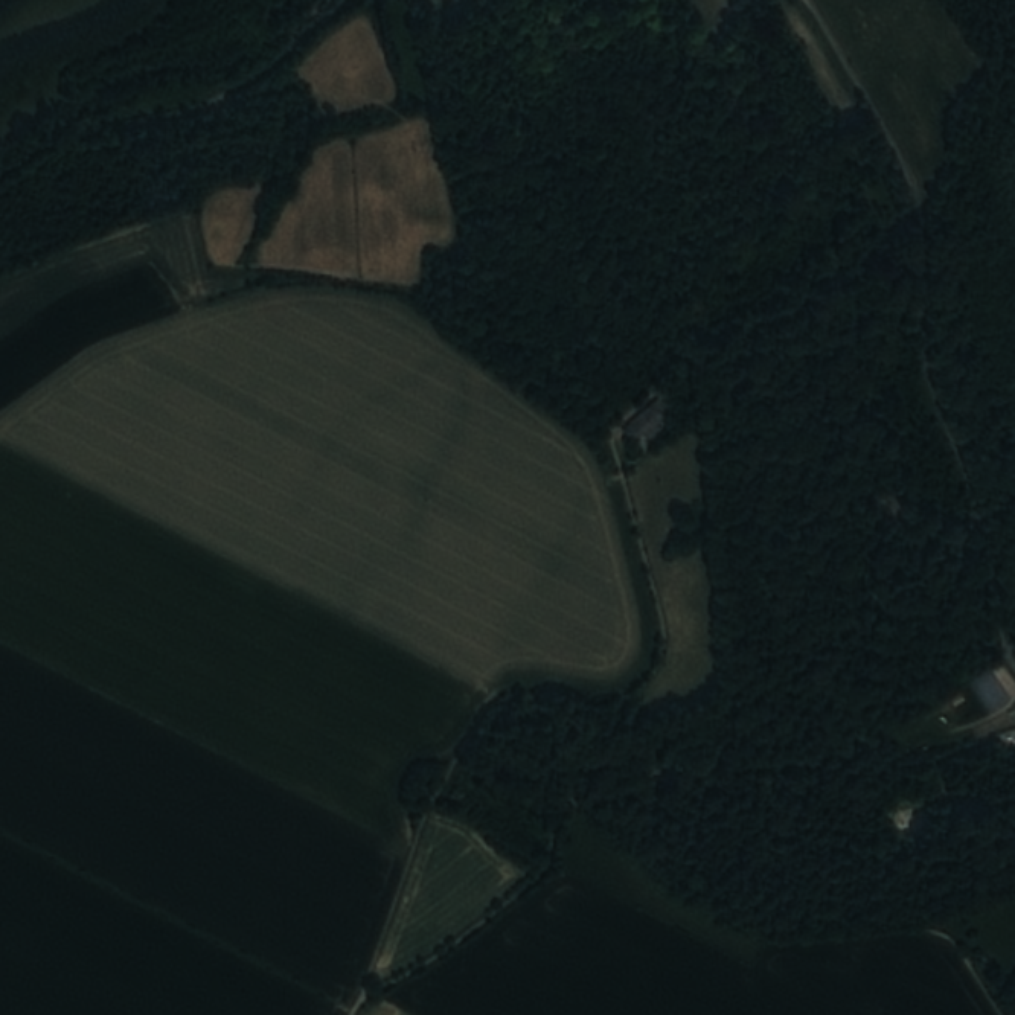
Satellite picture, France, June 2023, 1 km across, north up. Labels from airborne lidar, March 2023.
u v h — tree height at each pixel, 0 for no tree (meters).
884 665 35
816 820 21
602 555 0
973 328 9
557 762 24
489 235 32
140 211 10
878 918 16
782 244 19
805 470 27
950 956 0
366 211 0
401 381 0
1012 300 9
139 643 0
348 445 0
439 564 0
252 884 0
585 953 0
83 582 0
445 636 0
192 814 0
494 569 0
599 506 0
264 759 0
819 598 26
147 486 0
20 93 0
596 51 20
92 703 0
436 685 0
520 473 0
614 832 23
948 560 29
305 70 0
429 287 8
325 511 0
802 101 19
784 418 28
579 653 0
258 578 0
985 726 0
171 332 0
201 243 0
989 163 10
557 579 0
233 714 0
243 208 0
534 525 0
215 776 0
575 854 0
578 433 11
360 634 0
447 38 24
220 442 0
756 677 21
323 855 0
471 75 24
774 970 0
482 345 25
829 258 28
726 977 0
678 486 0
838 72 0
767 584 19
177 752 0
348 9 16
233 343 0
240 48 15
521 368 29
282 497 0
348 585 0
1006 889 30
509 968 0
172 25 21
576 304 28
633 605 0
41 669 0
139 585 0
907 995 0
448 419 0
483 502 0
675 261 24
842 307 24
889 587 25
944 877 27
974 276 12
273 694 0
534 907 0
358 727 0
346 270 0
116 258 0
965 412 26
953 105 22
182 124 10
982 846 30
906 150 0
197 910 0
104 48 14
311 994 0
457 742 0
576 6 16
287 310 0
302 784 0
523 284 30
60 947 0
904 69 0
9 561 0
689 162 26
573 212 25
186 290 0
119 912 0
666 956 0
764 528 32
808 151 29
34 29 0
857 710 28
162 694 0
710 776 23
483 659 0
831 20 0
